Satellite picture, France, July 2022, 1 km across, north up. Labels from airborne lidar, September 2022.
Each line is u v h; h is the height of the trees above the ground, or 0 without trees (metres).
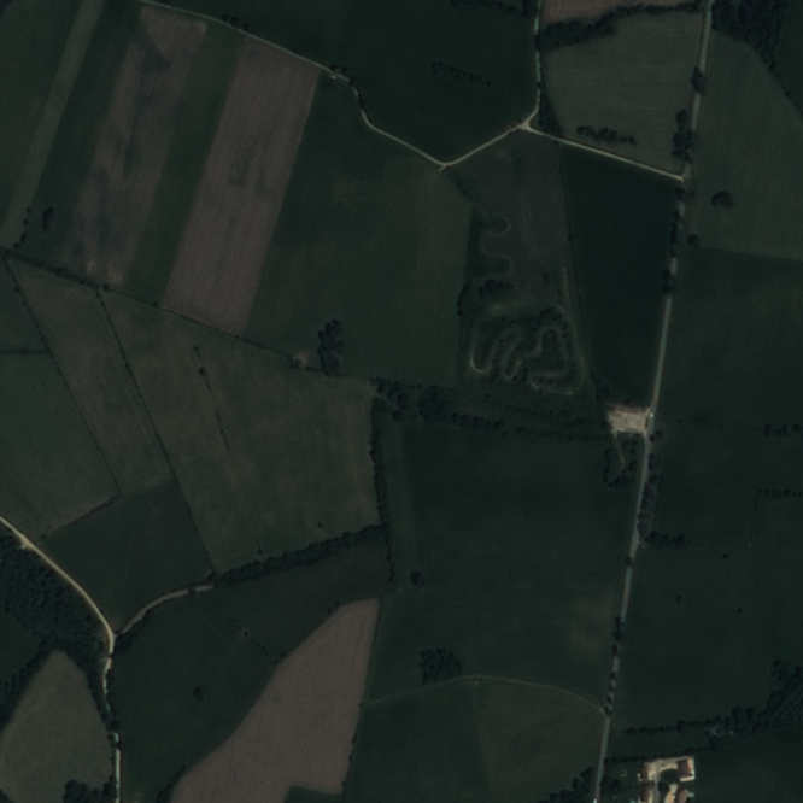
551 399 0
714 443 0
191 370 0
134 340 0
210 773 0
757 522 0
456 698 0
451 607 0
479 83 11
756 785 0
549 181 0
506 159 0
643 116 0
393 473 0
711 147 0
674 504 0
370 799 0
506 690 0
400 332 0
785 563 0
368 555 0
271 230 0
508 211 0
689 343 0
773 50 13
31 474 0
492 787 0
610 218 0
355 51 0
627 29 0
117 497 0
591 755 0
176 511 0
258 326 0
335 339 18
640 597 0
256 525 0
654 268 0
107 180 0
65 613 14
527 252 0
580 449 0
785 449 0
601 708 0
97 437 0
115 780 12
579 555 0
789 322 0
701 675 0
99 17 0
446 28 0
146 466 0
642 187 0
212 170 0
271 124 0
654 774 0
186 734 0
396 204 0
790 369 0
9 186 0
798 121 0
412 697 0
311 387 0
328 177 0
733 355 0
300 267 0
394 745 0
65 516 0
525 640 0
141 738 0
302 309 0
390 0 0
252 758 0
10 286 0
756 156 0
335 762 0
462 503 0
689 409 0
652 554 0
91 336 0
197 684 0
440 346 0
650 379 0
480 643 0
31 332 0
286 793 0
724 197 13
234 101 0
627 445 8
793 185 0
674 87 0
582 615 0
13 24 0
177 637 0
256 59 0
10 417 0
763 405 0
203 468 0
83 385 0
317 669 0
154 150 0
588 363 0
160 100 0
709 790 0
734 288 0
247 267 0
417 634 0
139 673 0
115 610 0
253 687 0
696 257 0
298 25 0
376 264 0
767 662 0
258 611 0
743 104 0
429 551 0
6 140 0
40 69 0
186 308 0
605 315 0
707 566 0
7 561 13
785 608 0
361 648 0
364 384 0
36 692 0
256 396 0
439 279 0
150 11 0
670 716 0
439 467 0
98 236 0
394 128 0
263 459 0
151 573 0
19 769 0
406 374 0
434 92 0
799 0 0
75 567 0
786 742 0
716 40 0
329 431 0
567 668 0
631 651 0
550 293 0
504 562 0
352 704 0
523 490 0
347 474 0
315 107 0
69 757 0
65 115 0
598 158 0
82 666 14
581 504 0
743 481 0
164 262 0
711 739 10
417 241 0
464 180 0
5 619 0
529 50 0
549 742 0
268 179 0
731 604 0
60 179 0
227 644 0
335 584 0
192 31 0
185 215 0
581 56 0
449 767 0
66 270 8
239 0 0
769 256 0
